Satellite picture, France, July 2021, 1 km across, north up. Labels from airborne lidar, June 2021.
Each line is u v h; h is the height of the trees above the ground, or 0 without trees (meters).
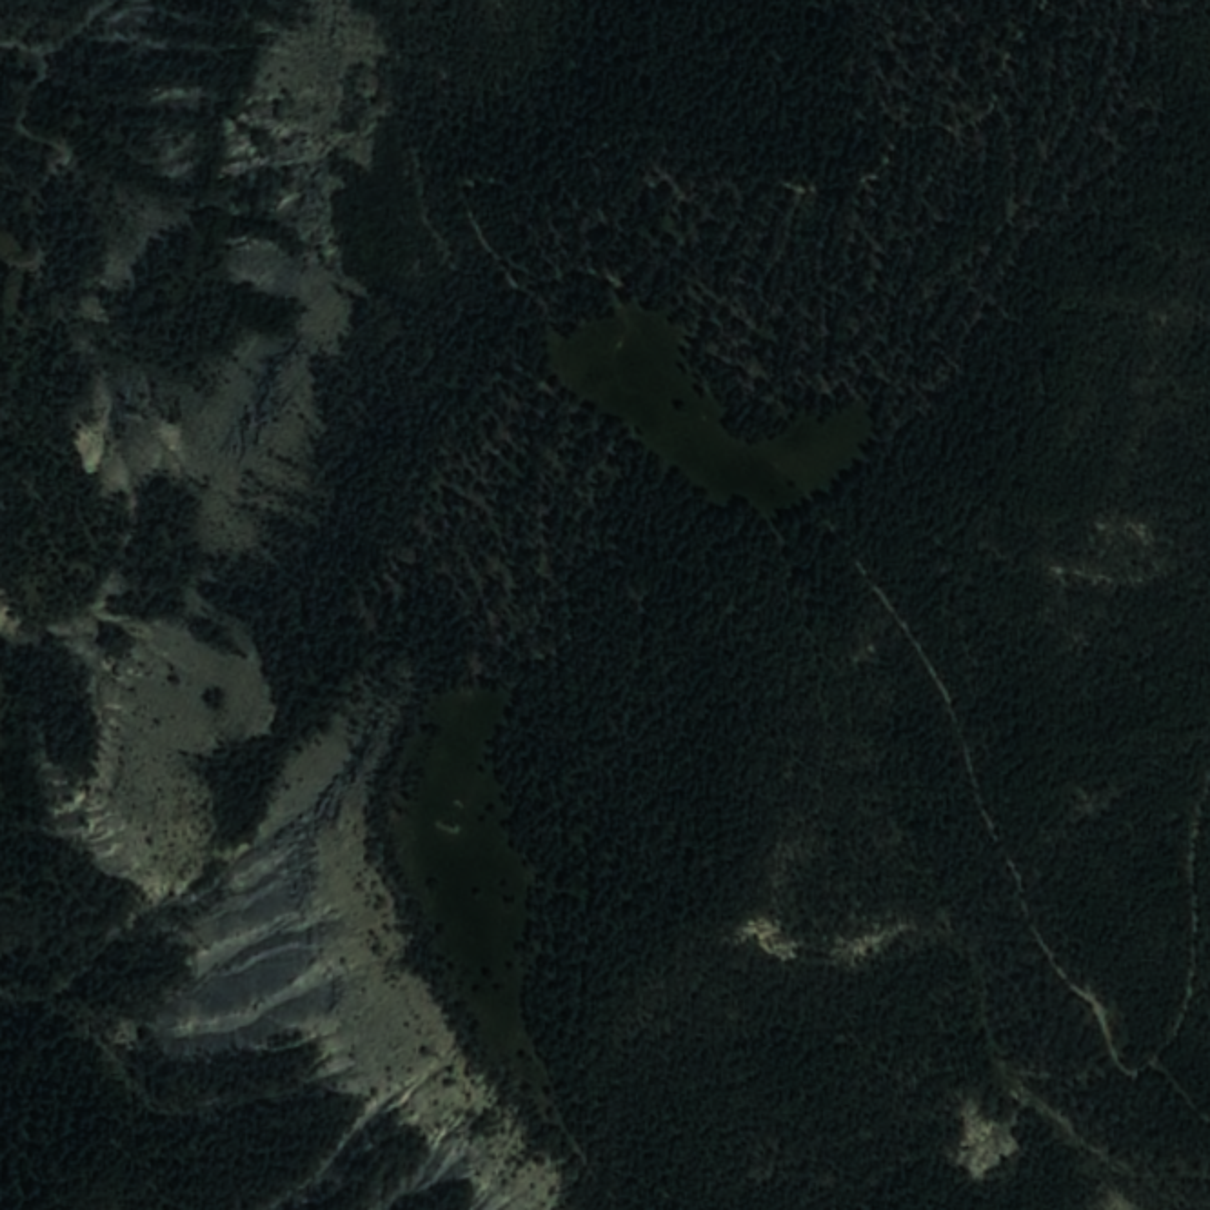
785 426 18
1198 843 11
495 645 16
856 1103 9
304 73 0
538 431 21
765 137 24
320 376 10
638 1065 13
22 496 7
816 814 6
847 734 12
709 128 23
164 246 9
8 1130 25
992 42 24
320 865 0
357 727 8
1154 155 20
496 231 14
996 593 13
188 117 7
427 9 5
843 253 20
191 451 0
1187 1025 10
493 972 13
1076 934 9
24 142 15
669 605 17
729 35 23
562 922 15
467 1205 8
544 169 25
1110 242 15
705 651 18
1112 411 10
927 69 23
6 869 21
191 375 7
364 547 16
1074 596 12
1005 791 11
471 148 19
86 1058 8
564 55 16
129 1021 6
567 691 21
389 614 14
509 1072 7
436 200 7
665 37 20
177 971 8
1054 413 14
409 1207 7
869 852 12
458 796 0
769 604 15
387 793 9
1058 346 22
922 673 10
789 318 14
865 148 20
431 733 9
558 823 16
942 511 18
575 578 18
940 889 10
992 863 7
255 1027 0
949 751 14
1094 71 16
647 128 18
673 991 8
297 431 0
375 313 12
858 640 8
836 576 22
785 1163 14
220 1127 9
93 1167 15
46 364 6
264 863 0
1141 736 8
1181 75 12
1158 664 15
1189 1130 10
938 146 10
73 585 7
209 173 6
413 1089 0
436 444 12
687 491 24
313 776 0
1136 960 9
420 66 7
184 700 0
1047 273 15
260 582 10
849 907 10
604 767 13
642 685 13
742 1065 10
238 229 6
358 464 10
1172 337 8
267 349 0
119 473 0
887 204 20
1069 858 9
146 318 16
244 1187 10
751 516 18
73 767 11
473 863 0
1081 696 12
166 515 10
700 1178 12
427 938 11
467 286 10
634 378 0
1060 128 13
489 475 10
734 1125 9
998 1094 7
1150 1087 8
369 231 6
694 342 20
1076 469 12
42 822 10
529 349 14
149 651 0
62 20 9
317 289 0
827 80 27
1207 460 8
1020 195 13
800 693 9
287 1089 7
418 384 8
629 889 22
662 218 20
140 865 0
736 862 14
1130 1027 7
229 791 12
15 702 7
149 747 0
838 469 0
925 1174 12
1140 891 9
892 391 18
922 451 18
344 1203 10
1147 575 8
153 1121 12
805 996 10
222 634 8
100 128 11
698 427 0
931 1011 10
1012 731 6
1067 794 7
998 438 21
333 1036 0
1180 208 16
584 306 14
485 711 0
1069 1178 9
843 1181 11
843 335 9
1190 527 7
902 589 10
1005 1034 12
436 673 12
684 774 20
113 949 6
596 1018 15
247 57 7
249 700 0
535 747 12
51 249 8
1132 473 6
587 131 21
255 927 0
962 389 23
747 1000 10
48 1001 8
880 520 16
